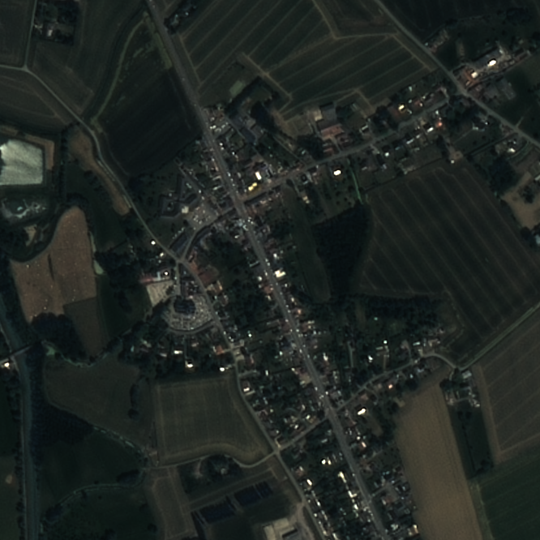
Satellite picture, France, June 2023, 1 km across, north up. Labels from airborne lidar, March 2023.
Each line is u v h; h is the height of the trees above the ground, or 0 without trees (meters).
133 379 0
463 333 0
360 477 0
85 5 0
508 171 17
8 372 15
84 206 17
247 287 6
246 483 0
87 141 0
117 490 0
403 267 0
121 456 0
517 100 0
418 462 0
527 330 0
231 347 0
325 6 0
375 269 0
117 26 0
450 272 0
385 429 6
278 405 0
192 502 0
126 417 0
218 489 0
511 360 0
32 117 0
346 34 0
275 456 0
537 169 0
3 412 0
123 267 29
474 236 0
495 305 0
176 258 0
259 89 0
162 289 0
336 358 8
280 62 0
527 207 0
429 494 0
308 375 0
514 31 0
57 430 25
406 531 0
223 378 0
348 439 0
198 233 0
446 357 0
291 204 0
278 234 10
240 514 0
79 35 0
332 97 0
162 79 0
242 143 0
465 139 0
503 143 0
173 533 0
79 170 0
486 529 0
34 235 0
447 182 0
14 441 0
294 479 0
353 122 0
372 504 0
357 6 0
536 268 0
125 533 0
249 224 0
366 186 0
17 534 0
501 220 0
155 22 0
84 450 0
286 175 0
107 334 0
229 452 0
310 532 0
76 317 0
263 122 32
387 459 0
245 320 0
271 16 0
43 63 0
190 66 0
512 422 0
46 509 0
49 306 0
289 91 0
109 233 0
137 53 0
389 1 0
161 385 0
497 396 0
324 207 0
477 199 0
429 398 0
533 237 21
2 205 0
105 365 0
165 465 0
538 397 0
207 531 0
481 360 0
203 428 0
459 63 0
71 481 0
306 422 0
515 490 0
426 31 0
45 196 0
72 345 34
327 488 12
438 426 0
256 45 0
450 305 0
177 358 11
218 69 0
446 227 0
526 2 0
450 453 0
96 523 0
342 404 0
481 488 0
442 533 0
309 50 0
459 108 14
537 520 0
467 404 0
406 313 14
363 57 0
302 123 0
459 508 0
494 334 0
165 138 0
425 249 0
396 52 0
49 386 0
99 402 0
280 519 0
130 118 0
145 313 0
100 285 0
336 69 0
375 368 15
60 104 0
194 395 0
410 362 0
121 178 0
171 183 0
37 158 0
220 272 0
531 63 0
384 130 14
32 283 0
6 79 0
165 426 0
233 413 0
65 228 0
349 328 7
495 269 0
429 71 0
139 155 0
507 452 0
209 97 0
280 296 0
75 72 0
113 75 0
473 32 0
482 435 0
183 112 0
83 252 0
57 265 0
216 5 0
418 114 0
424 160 0
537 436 0
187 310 0
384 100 0
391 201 0
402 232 0
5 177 0
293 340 0
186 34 0
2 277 29
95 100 0
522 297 0
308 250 0
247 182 0
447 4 0
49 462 0
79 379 0
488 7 0
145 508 6
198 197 0
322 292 0
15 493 0
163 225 0
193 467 0
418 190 0
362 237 6
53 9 0
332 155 0
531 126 0
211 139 0
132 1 0
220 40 0
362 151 0
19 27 0
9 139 0
